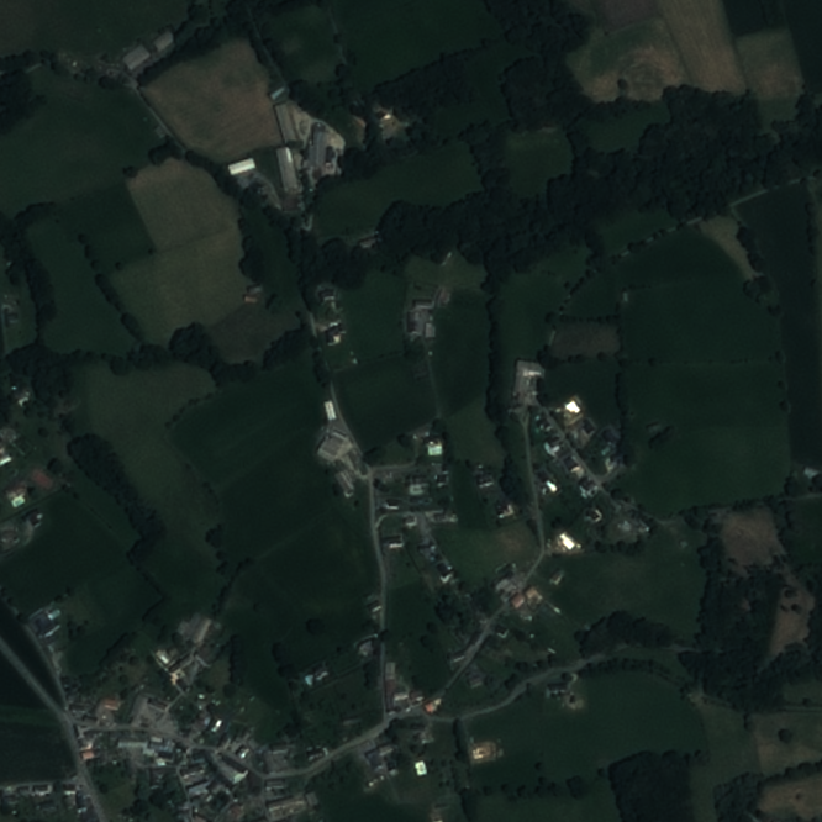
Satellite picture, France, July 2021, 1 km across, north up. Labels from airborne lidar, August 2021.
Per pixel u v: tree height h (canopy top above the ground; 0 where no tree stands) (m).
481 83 0
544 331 0
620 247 0
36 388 17
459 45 0
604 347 0
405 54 0
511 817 0
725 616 27
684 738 0
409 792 0
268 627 0
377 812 0
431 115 21
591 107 19
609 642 20
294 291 0
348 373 0
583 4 0
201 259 0
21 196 0
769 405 0
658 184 27
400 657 0
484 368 0
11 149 0
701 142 25
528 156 0
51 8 0
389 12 0
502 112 0
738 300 0
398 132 0
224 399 0
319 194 13
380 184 0
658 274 0
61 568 0
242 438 0
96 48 0
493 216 27
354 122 0
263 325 0
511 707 0
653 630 21
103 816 0
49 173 0
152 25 0
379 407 0
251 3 16
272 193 0
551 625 0
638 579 0
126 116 0
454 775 6
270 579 0
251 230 11
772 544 0
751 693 25
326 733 0
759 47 0
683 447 0
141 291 0
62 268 0
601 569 0
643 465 0
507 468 11
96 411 0
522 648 0
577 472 0
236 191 19
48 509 0
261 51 16
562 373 0
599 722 0
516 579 0
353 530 0
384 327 0
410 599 0
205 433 0
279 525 0
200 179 0
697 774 0
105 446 20
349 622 0
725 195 21
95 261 7
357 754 0
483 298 0
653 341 0
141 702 0
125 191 0
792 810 0
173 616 0
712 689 20
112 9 0
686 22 0
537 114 20
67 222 0
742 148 29
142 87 12
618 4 0
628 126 0
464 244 17
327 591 0
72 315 0
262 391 0
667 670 16
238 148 0
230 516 0
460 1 0
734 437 0
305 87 24
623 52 0
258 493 0
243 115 0
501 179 17
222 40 22
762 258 12
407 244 23
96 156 0
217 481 0
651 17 0
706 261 0
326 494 0
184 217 0
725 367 0
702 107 23
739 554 0
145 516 21
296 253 19
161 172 0
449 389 0
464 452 0
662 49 0
